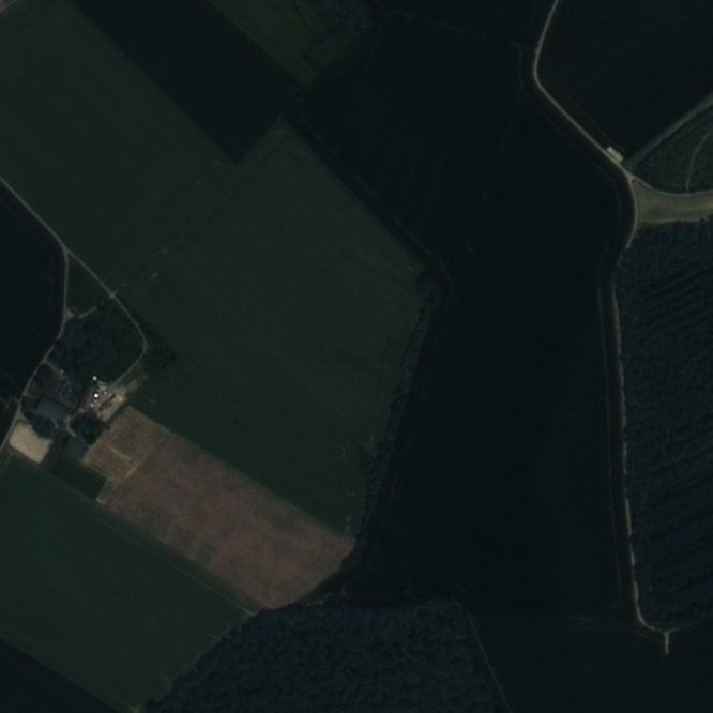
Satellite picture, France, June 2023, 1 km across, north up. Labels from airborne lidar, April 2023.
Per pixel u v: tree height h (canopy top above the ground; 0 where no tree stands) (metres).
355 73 0
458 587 0
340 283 0
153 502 0
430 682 23
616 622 0
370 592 0
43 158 0
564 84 0
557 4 0
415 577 0
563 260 0
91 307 0
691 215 0
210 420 0
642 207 0
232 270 0
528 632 0
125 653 0
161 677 0
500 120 0
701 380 11
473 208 0
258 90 0
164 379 0
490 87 0
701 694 0
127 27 0
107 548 0
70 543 0
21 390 0
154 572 0
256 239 0
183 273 0
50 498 0
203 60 0
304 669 27
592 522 0
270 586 0
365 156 0
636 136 0
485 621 0
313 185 0
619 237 0
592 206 0
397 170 0
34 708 0
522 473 0
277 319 0
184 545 0
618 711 0
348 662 20
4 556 0
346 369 0
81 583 0
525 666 0
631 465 17
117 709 0
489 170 0
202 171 0
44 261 0
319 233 0
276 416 0
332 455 0
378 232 0
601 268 0
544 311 0
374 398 0
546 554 0
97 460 0
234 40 0
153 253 0
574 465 0
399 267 0
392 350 0
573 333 0
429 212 0
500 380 0
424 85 0
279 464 0
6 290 0
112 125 0
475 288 0
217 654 18
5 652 0
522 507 0
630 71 0
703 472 7
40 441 0
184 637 0
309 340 0
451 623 26
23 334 0
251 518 0
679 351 18
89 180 0
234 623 0
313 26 0
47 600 0
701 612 12
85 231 0
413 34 0
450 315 0
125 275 0
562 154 0
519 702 0
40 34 0
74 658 0
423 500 0
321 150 0
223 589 0
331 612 22
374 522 0
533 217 0
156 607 0
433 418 0
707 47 0
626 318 14
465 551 0
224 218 0
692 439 16
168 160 0
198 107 0
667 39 0
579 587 0
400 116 0
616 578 0
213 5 0
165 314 0
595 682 0
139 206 0
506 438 0
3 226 0
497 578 0
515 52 0
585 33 0
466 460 0
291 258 0
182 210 0
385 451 14
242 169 0
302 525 0
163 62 0
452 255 0
